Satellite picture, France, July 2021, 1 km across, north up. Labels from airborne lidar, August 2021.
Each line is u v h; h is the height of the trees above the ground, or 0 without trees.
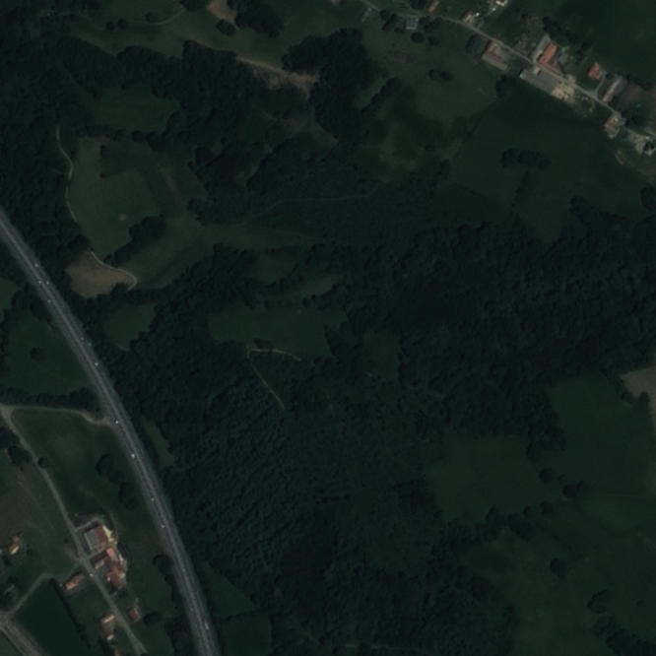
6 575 0
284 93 18
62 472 0
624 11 0
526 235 13
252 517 24
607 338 27
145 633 0
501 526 18
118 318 0
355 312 22
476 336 12
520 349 15
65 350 0
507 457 0
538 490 0
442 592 11
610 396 0
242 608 0
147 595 0
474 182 0
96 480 0
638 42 0
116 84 21
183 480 22
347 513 22
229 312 0
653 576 0
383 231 9
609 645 13
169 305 6
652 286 29
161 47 0
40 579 0
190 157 0
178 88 26
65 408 18
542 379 19
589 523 0
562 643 0
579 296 25
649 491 0
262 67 0
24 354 0
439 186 18
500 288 8
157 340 25
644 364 23
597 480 0
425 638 26
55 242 25
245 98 15
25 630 0
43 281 0
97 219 0
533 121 0
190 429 21
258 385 26
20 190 16
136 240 21
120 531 0
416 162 0
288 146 17
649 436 0
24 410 0
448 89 0
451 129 0
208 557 19
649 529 0
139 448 0
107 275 0
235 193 22
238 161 25
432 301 9
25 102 25
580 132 0
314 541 15
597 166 0
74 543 0
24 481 0
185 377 32
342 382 17
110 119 0
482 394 14
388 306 8
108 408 0
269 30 19
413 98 0
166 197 0
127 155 0
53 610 0
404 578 25
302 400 31
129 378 26
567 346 21
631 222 19
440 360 21
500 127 0
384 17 13
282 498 20
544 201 0
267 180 27
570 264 27
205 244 0
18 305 22
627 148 0
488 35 0
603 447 0
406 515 9
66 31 21
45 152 22
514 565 0
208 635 0
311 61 18
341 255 17
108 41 0
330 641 22
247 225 0
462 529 17
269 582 17
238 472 27
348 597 23
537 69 0
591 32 0
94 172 0
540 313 22
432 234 12
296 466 21
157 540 0
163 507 0
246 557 24
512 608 8
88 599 0
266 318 0
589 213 25
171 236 0
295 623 19
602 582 0
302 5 0
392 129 0
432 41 18
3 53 13
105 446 0
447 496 0
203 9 8
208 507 21
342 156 6
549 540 0
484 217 0
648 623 0
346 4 8
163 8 0
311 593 10
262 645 0
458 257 28
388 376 0
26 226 27
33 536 0
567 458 0
